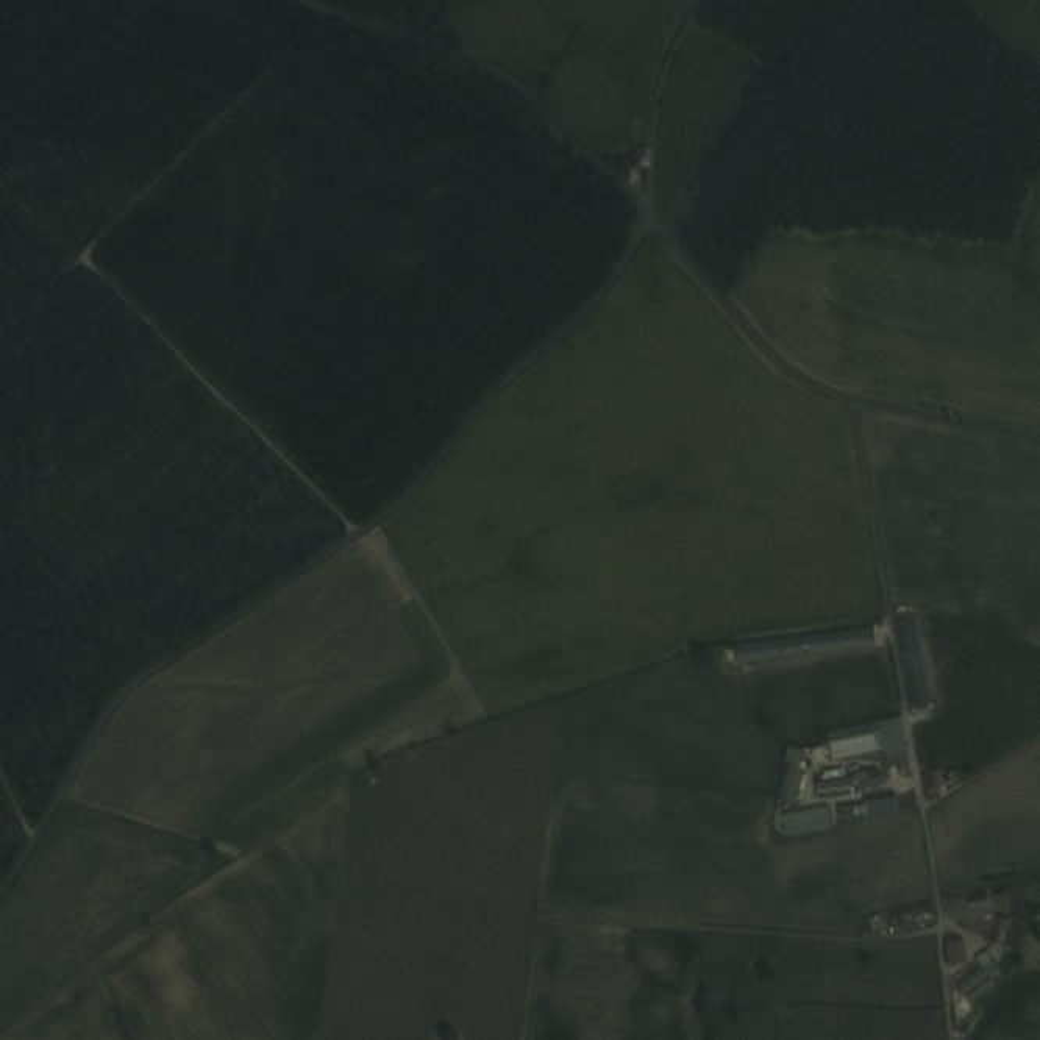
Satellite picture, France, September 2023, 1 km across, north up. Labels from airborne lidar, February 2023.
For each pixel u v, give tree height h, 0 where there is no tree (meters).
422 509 0
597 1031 0
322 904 0
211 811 0
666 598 0
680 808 0
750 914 0
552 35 0
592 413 0
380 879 0
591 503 0
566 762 0
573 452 0
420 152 0
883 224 12
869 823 0
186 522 27
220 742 0
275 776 0
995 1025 0
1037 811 0
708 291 0
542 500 0
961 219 19
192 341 0
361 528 0
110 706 0
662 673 0
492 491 0
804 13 18
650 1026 0
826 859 0
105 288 0
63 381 31
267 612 0
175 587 27
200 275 0
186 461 27
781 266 0
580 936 0
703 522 0
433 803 0
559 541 0
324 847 0
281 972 0
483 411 0
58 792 0
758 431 0
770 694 0
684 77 0
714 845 0
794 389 0
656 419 0
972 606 0
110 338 30
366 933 0
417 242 0
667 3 0
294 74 0
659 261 0
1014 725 0
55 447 25
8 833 0
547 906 0
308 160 0
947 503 0
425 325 5
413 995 0
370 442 6
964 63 23
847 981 0
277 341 0
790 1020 0
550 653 0
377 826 0
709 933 0
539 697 0
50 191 0
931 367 0
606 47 0
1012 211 17
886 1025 0
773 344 0
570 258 6
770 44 20
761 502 0
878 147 21
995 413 0
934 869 0
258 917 0
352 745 0
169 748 0
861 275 0
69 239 28
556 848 0
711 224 21
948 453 0
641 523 0
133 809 0
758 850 0
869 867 0
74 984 0
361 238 0
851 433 0
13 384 29
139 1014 0
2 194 30
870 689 0
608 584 0
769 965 13
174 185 0
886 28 20
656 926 0
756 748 0
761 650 0
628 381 0
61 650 27
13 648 29
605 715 0
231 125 0
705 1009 13
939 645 0
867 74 22
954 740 0
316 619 0
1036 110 23
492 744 0
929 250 0
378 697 0
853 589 0
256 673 0
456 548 0
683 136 0
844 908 0
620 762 0
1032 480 0
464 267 6
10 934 0
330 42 9
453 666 0
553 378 0
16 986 0
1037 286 0
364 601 0
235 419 0
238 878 0
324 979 0
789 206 20
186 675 0
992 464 0
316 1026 0
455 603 0
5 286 30
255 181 0
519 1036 0
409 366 6
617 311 0
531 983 0
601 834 0
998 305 0
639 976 0
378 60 12
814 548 0
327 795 0
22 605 30
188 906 0
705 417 0
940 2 23
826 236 0
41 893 0
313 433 7
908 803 0
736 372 0
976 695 0
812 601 0
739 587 0
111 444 0
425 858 0
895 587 0
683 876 0
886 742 0
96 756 0
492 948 0
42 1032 0
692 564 0
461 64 14
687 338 0
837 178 19
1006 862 0
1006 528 0
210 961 0
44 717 22
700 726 0
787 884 0
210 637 0
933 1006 0
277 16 7
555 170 9
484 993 0
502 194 9
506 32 0
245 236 0
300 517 24
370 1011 0
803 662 0
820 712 0
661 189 0
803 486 0
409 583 0
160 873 0
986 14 0
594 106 0
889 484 0
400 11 15
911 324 0
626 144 0
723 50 0
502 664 0
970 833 0
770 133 17
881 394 0
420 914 0
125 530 26
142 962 0
